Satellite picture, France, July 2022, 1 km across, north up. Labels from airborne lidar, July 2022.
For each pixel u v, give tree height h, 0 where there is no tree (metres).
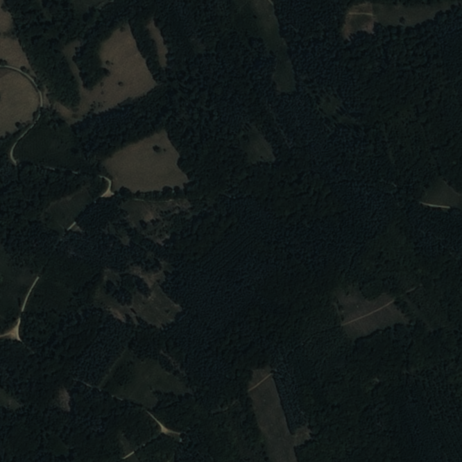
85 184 18
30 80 0
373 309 0
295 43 25
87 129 34
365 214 22
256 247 17
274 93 23
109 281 0
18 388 26
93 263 17
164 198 15
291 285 20
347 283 15
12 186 22
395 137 9
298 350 13
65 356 26
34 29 32
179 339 18
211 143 23
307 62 32
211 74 28
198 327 23
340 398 25
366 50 19
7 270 0
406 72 28
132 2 17
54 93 12
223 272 18
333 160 20
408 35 25
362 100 22
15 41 0
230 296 26
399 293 20
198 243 26
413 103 22
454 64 20
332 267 18
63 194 22
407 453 17
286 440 0
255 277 27
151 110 7
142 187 0
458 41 21
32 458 24
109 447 10
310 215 18
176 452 21
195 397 13
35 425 17
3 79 0
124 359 0
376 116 20
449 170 22
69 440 31
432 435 23
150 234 7
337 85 27
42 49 24
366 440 20
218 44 20
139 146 0
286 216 22
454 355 21
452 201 0
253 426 19
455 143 18
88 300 22
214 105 24
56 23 19
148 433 14
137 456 16
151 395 0
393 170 18
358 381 20
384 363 19
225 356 27
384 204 24
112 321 29
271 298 18
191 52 17
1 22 0
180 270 23
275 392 0
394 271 9
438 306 7
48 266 12
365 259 16
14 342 11
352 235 15
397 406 18
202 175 22
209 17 9
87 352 27
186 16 20
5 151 9
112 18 10
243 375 23
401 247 16
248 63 28
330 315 8
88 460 22
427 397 10
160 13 20
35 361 25
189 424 14
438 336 17
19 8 25
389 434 20
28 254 12
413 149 6
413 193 13
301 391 17
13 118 0
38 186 24
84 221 20
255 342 18
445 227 16
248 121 22
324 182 17
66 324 25
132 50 0
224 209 16
